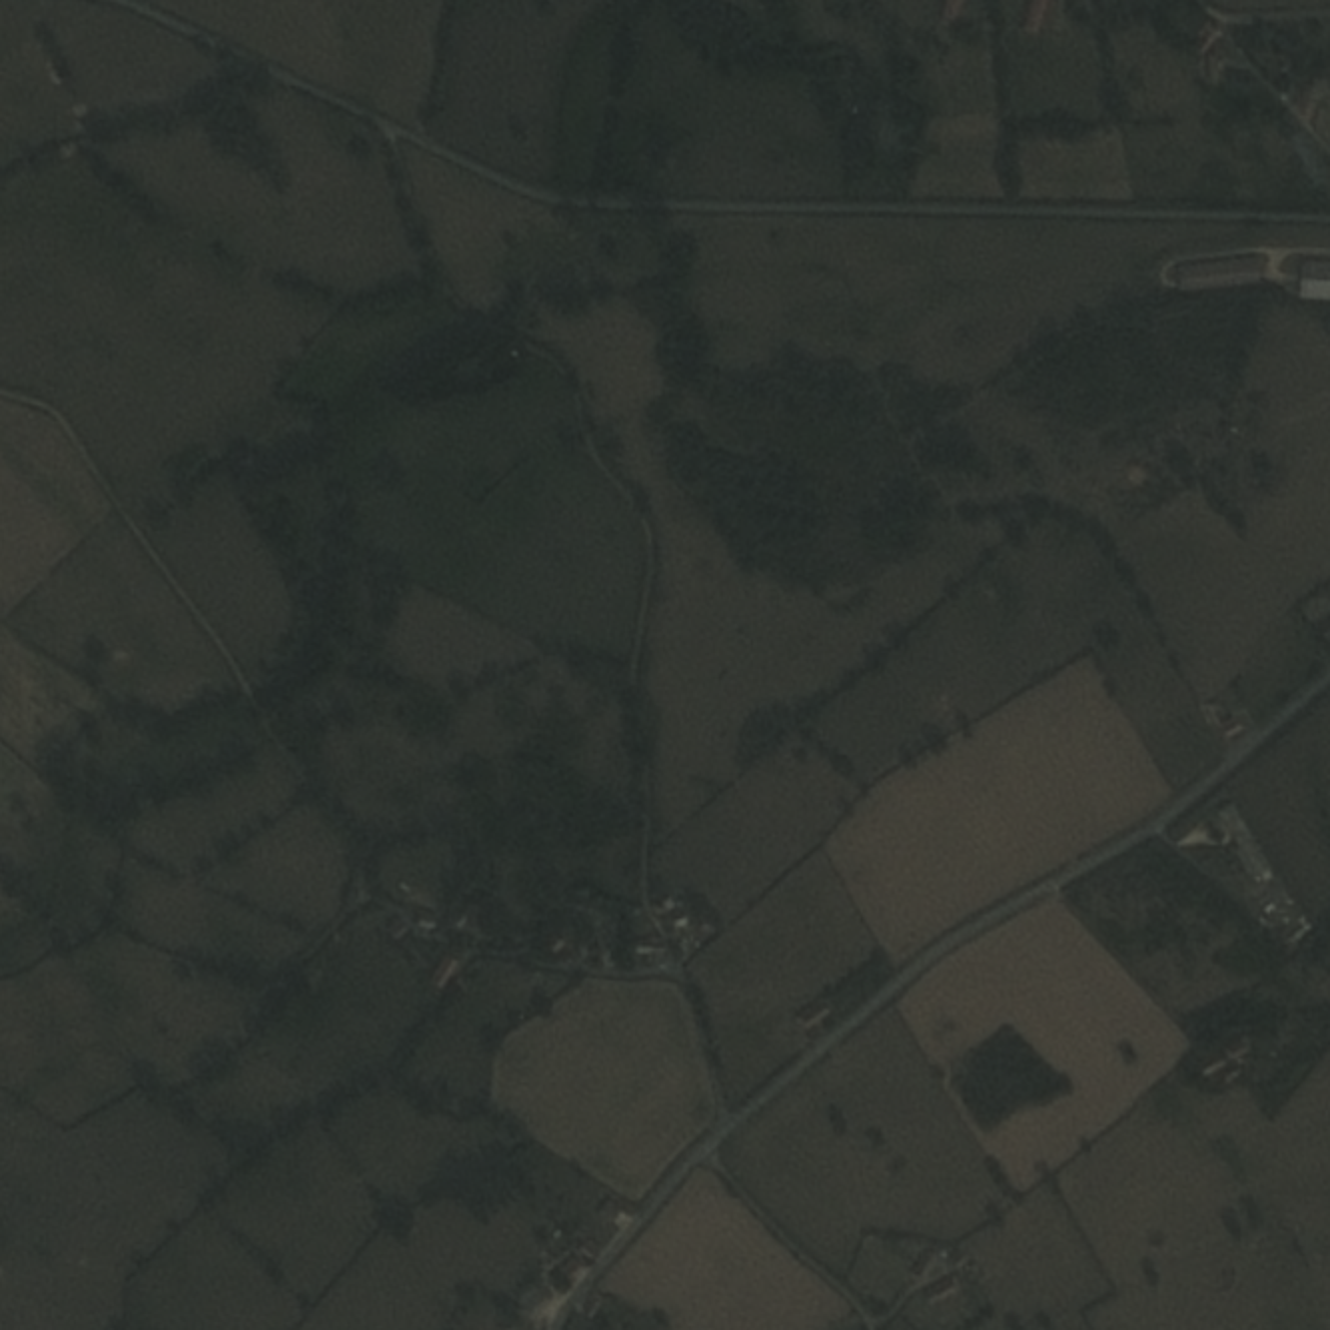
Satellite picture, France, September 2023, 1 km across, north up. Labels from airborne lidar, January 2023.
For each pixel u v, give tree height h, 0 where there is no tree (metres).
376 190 0
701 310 0
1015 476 0
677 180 0
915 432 0
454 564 0
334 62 0
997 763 0
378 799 0
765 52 9
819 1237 0
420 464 0
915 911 0
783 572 0
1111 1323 0
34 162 16
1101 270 0
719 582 0
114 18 0
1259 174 0
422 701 0
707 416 0
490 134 0
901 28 0
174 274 0
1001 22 11
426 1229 0
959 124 0
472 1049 0
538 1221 0
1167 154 0
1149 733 0
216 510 0
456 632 0
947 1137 0
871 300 0
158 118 14
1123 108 20
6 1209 0
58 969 0
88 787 14
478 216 0
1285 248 0
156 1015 0
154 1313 0
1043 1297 0
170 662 0
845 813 11
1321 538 0
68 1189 0
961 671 0
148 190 0
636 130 0
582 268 0
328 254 0
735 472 11
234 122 7
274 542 17
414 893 0
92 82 0
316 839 0
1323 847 0
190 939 0
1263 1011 8
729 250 0
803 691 0
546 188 0
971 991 0
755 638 0
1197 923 0
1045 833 0
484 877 15
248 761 19
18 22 0
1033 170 0
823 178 0
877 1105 0
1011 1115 0
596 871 0
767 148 0
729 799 0
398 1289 0
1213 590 0
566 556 0
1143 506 0
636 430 0
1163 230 0
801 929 0
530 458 0
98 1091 0
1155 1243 0
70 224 0
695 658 0
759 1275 0
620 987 0
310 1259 0
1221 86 0
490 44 0
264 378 0
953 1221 0
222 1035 0
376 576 15
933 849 0
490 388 8
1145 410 0
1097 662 8
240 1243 10
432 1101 12
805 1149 0
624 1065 0
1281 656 0
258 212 0
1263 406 0
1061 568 0
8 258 0
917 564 0
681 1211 0
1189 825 0
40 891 21
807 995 0
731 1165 0
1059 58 0
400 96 0
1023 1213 0
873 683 0
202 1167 0
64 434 0
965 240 0
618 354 0
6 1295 0
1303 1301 0
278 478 19
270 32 0
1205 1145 0
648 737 15
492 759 0
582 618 0
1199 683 0
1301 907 0
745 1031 0
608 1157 0
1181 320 0
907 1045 0
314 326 0
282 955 0
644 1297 0
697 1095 0
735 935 0
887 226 0
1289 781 0
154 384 0
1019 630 0
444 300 0
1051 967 0
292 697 17
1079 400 0
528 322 0
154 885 0
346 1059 0
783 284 0
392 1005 0
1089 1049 0
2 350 0
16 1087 0
